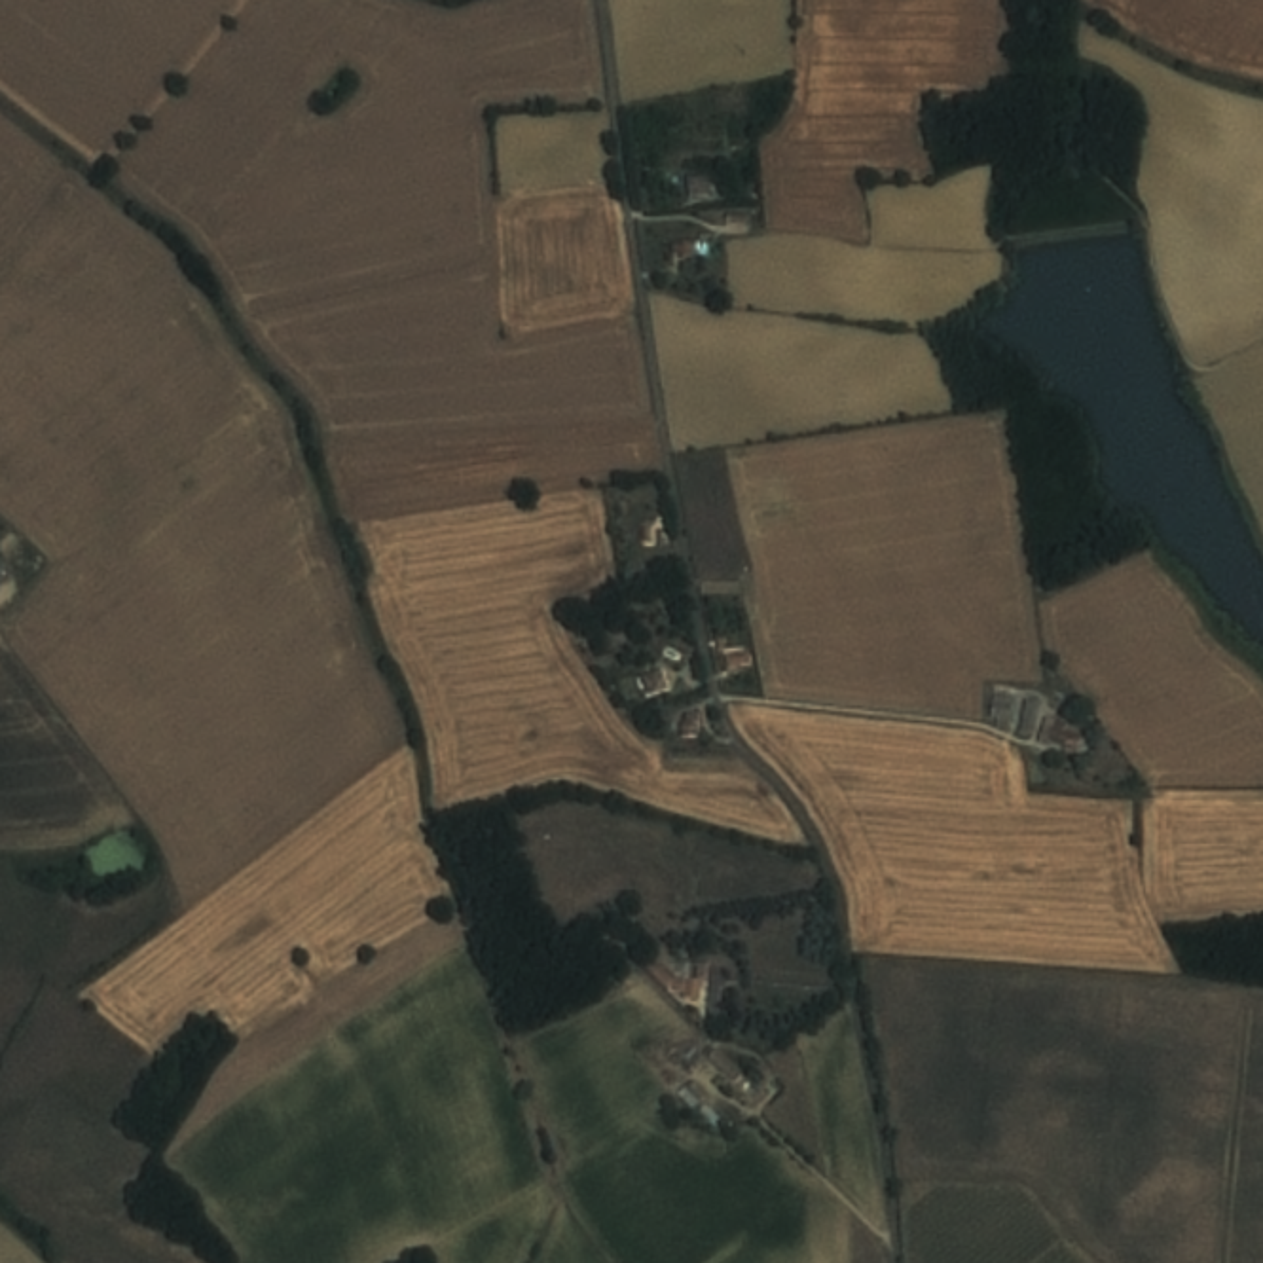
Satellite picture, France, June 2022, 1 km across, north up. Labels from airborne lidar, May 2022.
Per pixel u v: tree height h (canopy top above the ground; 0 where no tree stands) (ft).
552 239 0
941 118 60
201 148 0
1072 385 0
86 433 0
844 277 0
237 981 0
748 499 0
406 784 0
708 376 0
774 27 0
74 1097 0
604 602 48
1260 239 0
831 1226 0
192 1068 45
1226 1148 0
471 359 0
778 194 0
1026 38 45
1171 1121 0
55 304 0
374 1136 0
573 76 0
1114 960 0
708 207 23
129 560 0
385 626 0
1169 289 0
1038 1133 0
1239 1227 0
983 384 41
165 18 0
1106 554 56
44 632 0
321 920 0
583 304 0
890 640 0
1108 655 0
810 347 0
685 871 0
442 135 0
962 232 0
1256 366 0
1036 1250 0
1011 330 0
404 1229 0
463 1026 0
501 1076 0
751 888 0
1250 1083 0
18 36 0
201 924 0
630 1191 0
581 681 0
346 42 0
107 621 0
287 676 0
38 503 0
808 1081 0
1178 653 0
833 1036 0
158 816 0
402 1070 0
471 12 0
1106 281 0
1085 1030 0
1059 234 0
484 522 0
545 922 63
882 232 0
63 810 0
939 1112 0
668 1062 0
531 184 0
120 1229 0
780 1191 0
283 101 0
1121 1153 0
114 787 0
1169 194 0
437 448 0
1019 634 0
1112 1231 0
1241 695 0
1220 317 0
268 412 0
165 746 0
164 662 0
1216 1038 0
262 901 0
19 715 0
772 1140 24
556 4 0
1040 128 74
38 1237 33
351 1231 0
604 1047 0
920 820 0
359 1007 0
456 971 0
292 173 0
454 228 0
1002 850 0
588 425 0
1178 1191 0
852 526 0
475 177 0
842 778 0
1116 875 0
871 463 0
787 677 0
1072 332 0
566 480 0
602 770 0
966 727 0
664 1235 0
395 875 0
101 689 0
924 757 0
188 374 0
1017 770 0
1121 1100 0
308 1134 0
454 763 0
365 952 38
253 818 0
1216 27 0
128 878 49
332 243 0
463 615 0
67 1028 0
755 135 39
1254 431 0
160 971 0
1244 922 35
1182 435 0
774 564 0
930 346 24
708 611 20
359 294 0
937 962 0
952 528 0
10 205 0
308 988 0
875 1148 0
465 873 70
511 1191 0
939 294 0
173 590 0
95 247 0
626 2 0
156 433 0
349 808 0
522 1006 70
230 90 0
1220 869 0
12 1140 0
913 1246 0
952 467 0
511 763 0
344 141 0
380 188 0
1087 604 0
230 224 0
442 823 65
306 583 0
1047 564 35
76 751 0
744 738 0
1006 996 0
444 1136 0
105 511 0
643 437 0
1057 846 0
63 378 0
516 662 0
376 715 0
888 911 0
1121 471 0
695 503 0
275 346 0
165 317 0
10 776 0
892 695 0
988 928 0
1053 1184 0
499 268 0
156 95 0
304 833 0
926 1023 0
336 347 0
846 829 0
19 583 0
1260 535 0
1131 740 0
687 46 0
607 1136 0
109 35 0
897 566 0
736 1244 0
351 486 0
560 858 0
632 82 0
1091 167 62
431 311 0
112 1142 0
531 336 0
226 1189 0
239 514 0
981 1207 0
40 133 0
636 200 30
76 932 0
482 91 0
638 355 0
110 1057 0
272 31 0
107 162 40
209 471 0
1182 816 0
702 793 0
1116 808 0
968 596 0
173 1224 57
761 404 0
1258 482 0
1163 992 0
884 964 0
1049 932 0
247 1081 0
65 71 0
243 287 0
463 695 0
